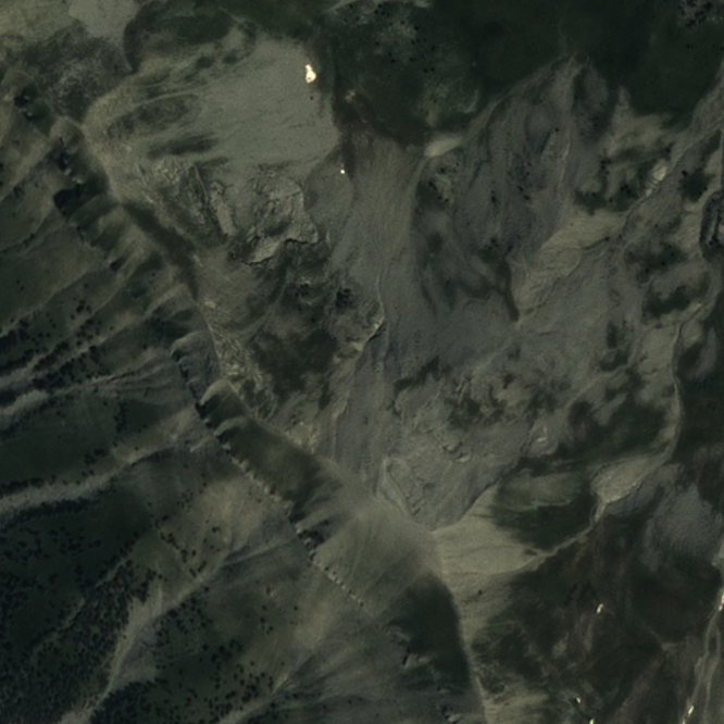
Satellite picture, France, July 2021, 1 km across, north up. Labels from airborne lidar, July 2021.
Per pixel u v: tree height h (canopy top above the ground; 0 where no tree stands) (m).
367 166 0
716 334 0
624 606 0
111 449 0
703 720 0
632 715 0
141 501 0
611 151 0
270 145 0
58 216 0
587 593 0
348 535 0
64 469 0
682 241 0
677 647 0
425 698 0
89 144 0
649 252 0
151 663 0
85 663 14
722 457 0
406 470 0
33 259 0
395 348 0
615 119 0
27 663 11
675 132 0
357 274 0
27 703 17
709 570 0
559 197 0
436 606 0
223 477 0
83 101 0
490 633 0
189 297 0
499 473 0
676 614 0
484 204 0
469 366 0
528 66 0
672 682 0
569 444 0
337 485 0
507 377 0
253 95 0
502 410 0
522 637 0
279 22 0
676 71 0
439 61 0
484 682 0
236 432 0
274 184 0
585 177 0
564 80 0
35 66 0
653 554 0
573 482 0
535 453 0
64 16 0
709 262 0
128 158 0
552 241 0
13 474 0
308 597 0
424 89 0
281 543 0
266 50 0
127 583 8
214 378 0
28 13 0
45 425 0
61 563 0
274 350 0
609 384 0
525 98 0
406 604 0
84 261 0
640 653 0
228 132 0
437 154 0
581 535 0
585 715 0
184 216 0
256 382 0
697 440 0
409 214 0
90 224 0
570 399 0
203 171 0
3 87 0
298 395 0
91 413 0
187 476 0
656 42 0
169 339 0
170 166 0
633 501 0
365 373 0
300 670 0
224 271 0
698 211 0
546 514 0
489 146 0
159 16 0
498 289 0
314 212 0
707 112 0
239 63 0
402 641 0
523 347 0
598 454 0
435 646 0
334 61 0
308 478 0
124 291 0
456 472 0
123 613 7
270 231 0
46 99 0
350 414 0
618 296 0
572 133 0
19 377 0
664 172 0
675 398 0
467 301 0
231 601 0
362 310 0
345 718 0
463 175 0
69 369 9
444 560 0
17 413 0
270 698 0
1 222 0
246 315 0
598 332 0
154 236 0
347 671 0
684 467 0
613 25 0
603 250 0
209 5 0
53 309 0
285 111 0
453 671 0
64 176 0
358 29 0
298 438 0
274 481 0
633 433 0
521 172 0
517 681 0
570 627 0
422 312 0
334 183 0
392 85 0
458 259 0
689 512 0
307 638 0
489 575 0
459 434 0
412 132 0
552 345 0
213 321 0
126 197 0
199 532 0
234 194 0
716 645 0
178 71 0
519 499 0
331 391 0
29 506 0
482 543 0
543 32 0
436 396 0
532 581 0
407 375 0
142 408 0
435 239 0
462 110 0
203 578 0
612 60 0
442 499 0
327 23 0
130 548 8
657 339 0
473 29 0
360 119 0
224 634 0
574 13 0
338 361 0
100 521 0
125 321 0
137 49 0
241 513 0
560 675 0
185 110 0
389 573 0
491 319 0
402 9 0
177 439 0
